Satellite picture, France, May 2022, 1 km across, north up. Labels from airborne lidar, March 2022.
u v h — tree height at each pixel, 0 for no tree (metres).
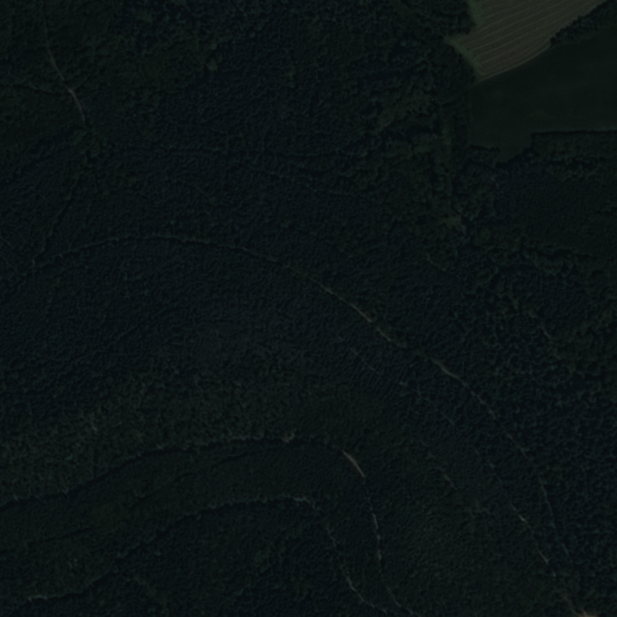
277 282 16
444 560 9
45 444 13
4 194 19
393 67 30
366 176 35
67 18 16
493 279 10
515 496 25
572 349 25
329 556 22
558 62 0
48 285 16
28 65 13
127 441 9
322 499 19
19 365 27
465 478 17
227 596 25
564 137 13
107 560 29
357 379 16
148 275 11
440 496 12
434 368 23
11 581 30
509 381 10
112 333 27
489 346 16
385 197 27
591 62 0
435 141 32
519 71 0
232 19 23
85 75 15
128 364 27
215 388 6
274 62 28
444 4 10
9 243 17
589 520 10
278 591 31
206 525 25
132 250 14
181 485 19
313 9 32
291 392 8
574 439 36
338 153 9
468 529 14
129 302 26
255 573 27
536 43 0
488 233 19
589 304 20
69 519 23
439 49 14
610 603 36
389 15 25
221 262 12
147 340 18
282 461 23
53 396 24
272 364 10
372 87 31
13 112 19
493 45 0
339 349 12
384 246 17
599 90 0
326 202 26
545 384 17
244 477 19
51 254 19
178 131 23
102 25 16
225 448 15
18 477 7
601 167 19
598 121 0
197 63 18
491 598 9
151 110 21
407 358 18
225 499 20
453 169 9
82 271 14
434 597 10
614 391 27
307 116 17
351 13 41
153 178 23
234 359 12
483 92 0
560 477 21
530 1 0
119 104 19
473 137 0
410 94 35
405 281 21
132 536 28
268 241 28
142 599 21
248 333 13
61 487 15
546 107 0
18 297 20
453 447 16
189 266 17
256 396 14
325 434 18
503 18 0
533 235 23
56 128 15
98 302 22
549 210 23
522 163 25
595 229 22
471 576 13
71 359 28
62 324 23
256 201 24
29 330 17
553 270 16
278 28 20
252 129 18
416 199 29
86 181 17
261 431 13
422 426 19
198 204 26
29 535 22
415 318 19
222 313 14
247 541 23
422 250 23
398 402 16
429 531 7
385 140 35
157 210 16
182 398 27
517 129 0
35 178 19
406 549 12
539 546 18
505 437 21
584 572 31
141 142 24
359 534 17
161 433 15
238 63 27
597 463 35
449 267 29
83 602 27
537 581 19
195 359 13
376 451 10
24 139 14
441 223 21
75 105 13
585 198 20
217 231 17
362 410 11
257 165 30
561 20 0
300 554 31
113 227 13
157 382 16
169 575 26
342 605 20
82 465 32
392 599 19
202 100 34
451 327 18
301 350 14
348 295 23
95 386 20
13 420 29
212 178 24
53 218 14
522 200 26
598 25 13
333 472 17
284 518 28
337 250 24
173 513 24
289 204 23
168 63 13
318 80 14
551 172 28
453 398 15
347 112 21
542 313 31
